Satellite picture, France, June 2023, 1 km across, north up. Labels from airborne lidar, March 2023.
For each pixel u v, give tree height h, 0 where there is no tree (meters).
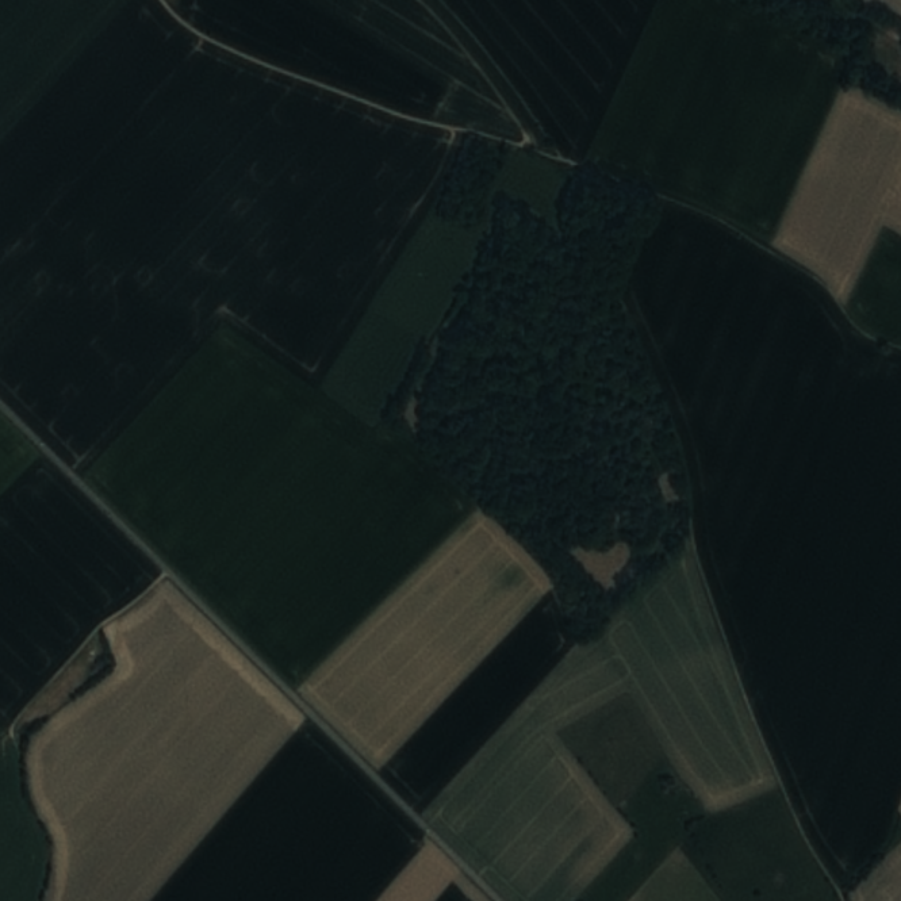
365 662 0
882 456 0
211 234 0
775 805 0
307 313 0
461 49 0
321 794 0
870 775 0
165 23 0
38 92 0
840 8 0
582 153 0
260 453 0
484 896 0
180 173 0
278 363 0
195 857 0
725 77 0
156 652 0
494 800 0
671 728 0
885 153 0
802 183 0
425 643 0
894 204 0
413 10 0
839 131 0
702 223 0
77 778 0
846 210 0
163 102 0
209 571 0
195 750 0
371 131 0
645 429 10
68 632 0
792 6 33
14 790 0
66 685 0
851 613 0
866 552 0
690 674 0
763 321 0
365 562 0
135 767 0
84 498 0
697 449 0
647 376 11
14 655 0
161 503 0
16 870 0
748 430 0
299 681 0
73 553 0
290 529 0
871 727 0
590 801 0
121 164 0
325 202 0
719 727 0
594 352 17
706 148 0
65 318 0
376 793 0
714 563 0
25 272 0
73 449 0
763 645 0
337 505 0
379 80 0
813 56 0
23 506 0
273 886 0
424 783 0
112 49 0
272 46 0
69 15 0
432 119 0
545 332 22
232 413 0
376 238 0
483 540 0
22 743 8
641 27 0
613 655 0
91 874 0
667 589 0
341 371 0
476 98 0
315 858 0
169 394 0
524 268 29
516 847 0
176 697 0
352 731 0
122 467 0
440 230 0
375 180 0
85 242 0
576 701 0
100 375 0
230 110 0
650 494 8
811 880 0
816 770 0
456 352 23
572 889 0
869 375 0
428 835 0
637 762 0
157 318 0
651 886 0
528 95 0
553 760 0
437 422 14
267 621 0
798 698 0
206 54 0
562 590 7
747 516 0
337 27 0
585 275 24
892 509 0
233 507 0
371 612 0
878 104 0
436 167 0
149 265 0
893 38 0
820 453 0
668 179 0
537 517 12
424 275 0
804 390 0
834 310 0
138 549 0
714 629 0
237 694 0
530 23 0
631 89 0
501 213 26
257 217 0
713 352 0
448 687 0
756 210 0
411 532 0
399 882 0
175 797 0
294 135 0
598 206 19
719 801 0
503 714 0
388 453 0
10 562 0
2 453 0
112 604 0
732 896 0
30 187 0
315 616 0
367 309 0
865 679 0
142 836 0
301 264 0
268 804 0
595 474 19
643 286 0
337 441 0
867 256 0
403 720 0
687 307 0
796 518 0
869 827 0
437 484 0
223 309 0
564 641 0
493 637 0
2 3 0
